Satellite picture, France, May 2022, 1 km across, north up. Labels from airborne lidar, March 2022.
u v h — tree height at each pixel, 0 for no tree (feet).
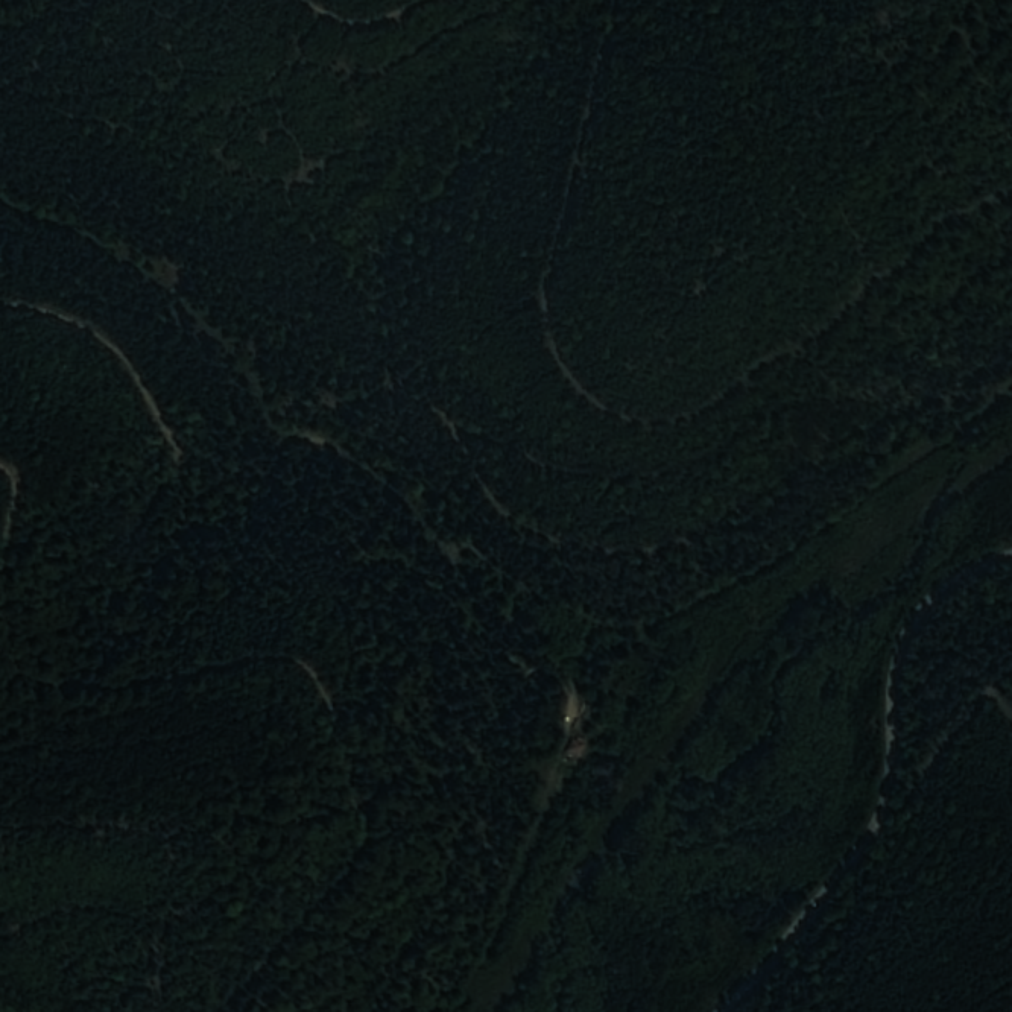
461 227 80
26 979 29
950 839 50
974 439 120
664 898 67
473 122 51
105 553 96
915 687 46
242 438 34
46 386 36
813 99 33
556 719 48
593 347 36
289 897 90
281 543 36
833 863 47
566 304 52
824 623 77
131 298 91
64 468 55
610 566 110
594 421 48
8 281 55
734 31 55
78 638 61
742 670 63
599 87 55
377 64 36
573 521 26
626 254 46
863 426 41
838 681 69
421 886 93
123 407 38
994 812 52
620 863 77
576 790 56
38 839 40
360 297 94
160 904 48
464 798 48
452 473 86
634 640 78
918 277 45
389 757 121
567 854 55
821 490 91
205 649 58
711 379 31
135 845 27
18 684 76
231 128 28
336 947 111
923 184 45
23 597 73
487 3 26
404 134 77
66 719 33
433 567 114
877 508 0
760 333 44
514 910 38
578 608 74
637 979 85
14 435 51
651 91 43
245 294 59
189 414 49
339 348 90
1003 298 39
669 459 32
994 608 49
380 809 113
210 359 73
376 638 41
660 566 59
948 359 98
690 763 70
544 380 48
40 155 85
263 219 60
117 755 61
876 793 32
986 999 49
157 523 76
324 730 42
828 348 70
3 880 24
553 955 66
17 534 49
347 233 48
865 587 0
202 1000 85
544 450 49
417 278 74
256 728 48
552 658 58
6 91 52
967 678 31
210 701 46
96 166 80
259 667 38
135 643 58
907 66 71
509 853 45
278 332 41
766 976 56
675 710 59
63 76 53
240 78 22
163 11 61
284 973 90
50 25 74
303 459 21
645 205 48
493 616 70
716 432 45
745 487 35
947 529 79
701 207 22
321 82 22
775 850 52
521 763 94
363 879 101
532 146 65
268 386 43
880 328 86
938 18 33
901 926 55
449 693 52
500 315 49
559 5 75
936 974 45
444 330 47
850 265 35
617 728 65
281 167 30
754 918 97
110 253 31
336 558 120
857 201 25
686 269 34
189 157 38
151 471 31
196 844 52
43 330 31
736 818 52
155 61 41
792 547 54
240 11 49
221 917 45
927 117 43
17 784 56
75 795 59
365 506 45
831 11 53
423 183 60
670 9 53
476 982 0
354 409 69
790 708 75
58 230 55
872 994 35
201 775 61
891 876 43
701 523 30
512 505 70
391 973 79
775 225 43
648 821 82
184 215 46
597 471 47
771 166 36
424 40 30
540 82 62
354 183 24
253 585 29
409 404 94
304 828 106
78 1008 34
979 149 36
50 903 24
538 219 70
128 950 51
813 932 65
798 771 66
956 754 54
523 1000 58
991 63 36
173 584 127
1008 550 0
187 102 63
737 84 49
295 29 46
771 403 44
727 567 62
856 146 42
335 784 64
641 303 39
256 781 58
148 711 59
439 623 67
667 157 49
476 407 68
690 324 31
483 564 60
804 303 40
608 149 48
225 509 76
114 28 54
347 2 37
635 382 31
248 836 49
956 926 39
